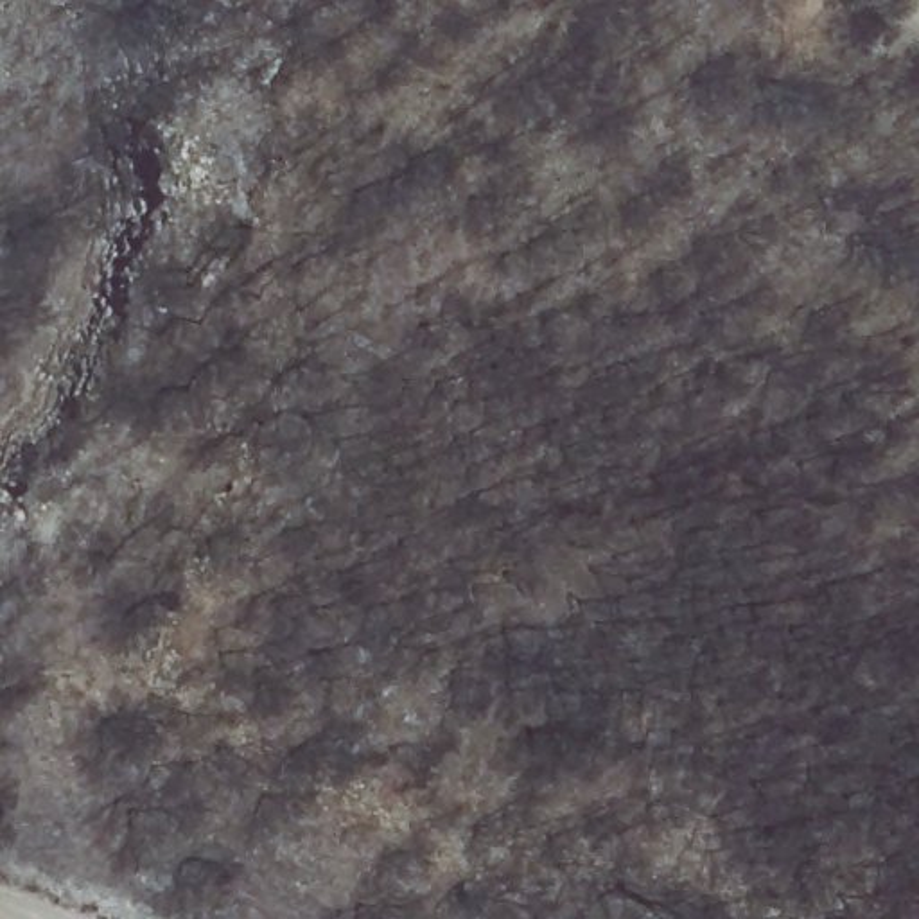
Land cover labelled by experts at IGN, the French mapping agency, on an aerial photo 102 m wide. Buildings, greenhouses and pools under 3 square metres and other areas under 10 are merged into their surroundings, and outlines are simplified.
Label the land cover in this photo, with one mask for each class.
<instances>
[{"label":"coniferous trees","instance_id":"1","mask_svg":"<svg viewBox=\"0 0 919 919\"><path fill-rule=\"evenodd\" d=\"M126 0H65L50 7V22H61V14L72 11L79 14L75 39L83 43V93L90 122L86 144L90 158L104 162L115 176V187H104V201H147V208L140 219H126L122 233L115 237L111 276H101L97 287V294L108 298L115 309V327L104 330L97 341L104 377L86 370V381L97 384L101 398H65L57 406V420L36 442H22V470L36 474L65 467L93 438L97 424L108 420L129 424L133 438L144 449L176 456L172 474L154 492L144 488L126 495V510H108V521L101 528L115 535V549L122 553L118 560L136 564V571L172 553L179 564L208 556L219 574L251 582V596L237 603L233 628L251 632L266 657L258 668L219 664L215 682L226 693L244 696L251 718L284 714L294 696L312 693L316 686H334L345 653H373L388 646L391 635H398V650L413 653L409 664L431 671V682L445 686L442 704L449 711L467 714L470 722L481 714L503 718L510 743L517 747V754L528 757V768L521 775L531 786L556 783L560 775L596 783V775L617 761L628 765V775H661L675 768L711 772L725 783V797L718 801L711 826L718 833V844L729 851L732 865L743 869L747 894L754 901H811L808 869L822 854L872 847L876 858H883V880L872 890L880 908L887 912L883 919H919V0H208L205 18L187 22L179 39L169 25H154V36L165 39L169 50L140 43L122 50V43L111 36V11ZM643 707L675 718L671 732L661 743L628 740L625 718H639Z\"/></svg>","mask_w":919,"mask_h":919},{"label":"bare soil","instance_id":"2","mask_svg":"<svg viewBox=\"0 0 919 919\"><path fill-rule=\"evenodd\" d=\"M65 0H0V887L25 890L57 908L75 883H97L133 897L136 905H147V919H883L887 912L880 908L872 890L883 880V858H876L872 847L822 854L808 869L811 901H754L747 894L743 869L732 865L729 851L718 844V833L711 826L718 801L725 797V783L711 772L675 768L661 775H628V765L617 761L596 775V783L560 775L556 783L531 786L521 775L528 768V757L517 754V747L510 743L503 718L481 714L470 722L467 714L449 711L442 704L445 686L431 682V671L409 664L413 653L398 650V635H391L388 646L373 653H345L334 686H316L312 693L294 696L284 714L251 718L244 696L226 693L215 682L219 664L258 668L266 657L251 632L233 628L237 603L251 596V582L219 574L208 556L179 564L172 553L136 571V564L118 560L122 553L115 549V535L101 528L108 521V510H126V495L144 488L154 492L172 474L176 456L144 449L133 438L129 424L108 420L97 424L93 438L65 467L36 474L22 470V442H36L57 420V406L65 398H101L97 384L86 381V370L104 377L97 341L104 330L115 327V309L108 298L97 294V287L101 276H111L115 237L122 233L126 219H140L147 208V201H104V187H115V176L104 162L90 158L86 144L90 122L83 93V43L75 39L79 14L72 11L61 14V22H50V7ZM208 0H126L111 11V36L122 43V50L140 43L169 50L165 39L154 36V25H169L179 39L187 22L205 18ZM675 718L643 707L639 718H625L628 740L661 743L671 732Z\"/></svg>","mask_w":919,"mask_h":919},{"label":"vineyard","instance_id":"3","mask_svg":"<svg viewBox=\"0 0 919 919\"><path fill-rule=\"evenodd\" d=\"M147 905H136L133 897L97 883H75L57 908L25 890L0 887V919H147Z\"/></svg>","mask_w":919,"mask_h":919}]
</instances>
